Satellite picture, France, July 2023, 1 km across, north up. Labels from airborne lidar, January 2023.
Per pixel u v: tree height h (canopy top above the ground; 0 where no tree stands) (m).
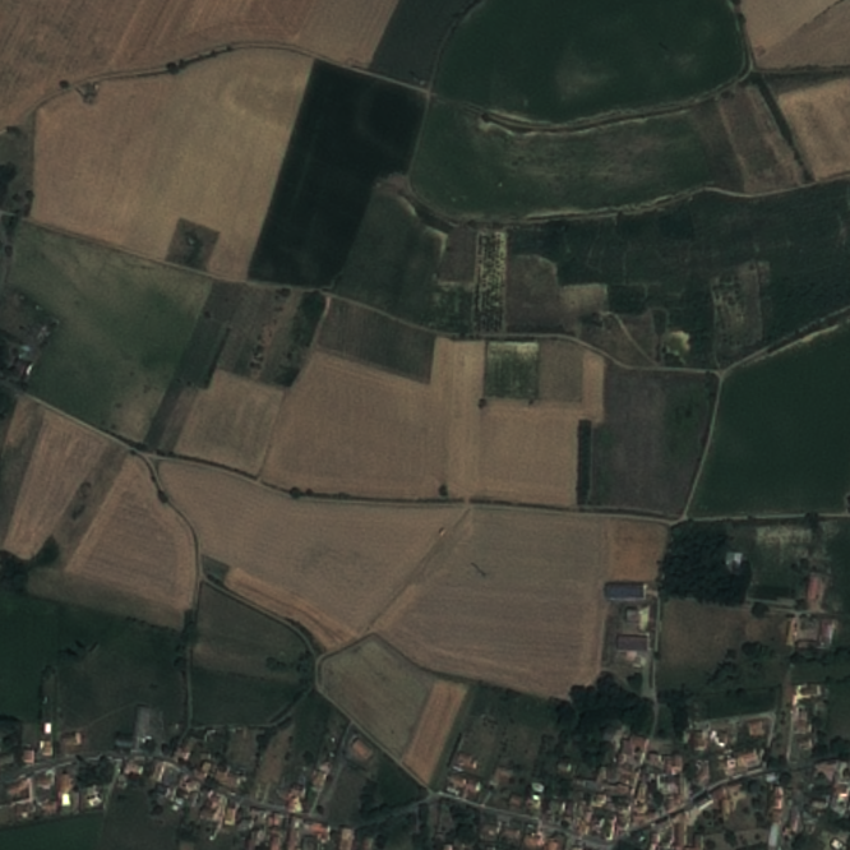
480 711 0
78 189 0
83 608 0
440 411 0
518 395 0
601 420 0
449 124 0
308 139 0
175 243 0
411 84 0
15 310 0
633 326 0
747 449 0
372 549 0
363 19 0
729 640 0
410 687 0
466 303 0
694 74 0
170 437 0
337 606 0
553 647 0
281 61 0
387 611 0
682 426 0
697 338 8
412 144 0
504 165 0
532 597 0
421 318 0
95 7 0
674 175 0
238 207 0
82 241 0
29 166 0
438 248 0
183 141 0
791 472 0
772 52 0
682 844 0
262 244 0
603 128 0
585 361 0
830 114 0
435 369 0
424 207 0
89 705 0
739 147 0
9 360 9
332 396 0
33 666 0
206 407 0
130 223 0
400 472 0
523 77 0
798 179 0
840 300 6
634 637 0
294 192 0
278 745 0
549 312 0
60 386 0
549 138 0
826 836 0
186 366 0
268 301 0
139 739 0
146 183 0
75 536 0
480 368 0
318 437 0
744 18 11
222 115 0
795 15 0
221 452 0
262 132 0
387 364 0
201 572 0
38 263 0
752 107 0
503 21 0
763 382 0
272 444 0
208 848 0
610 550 0
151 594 0
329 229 0
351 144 0
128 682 0
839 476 0
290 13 0
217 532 0
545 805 6
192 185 0
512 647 0
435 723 0
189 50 0
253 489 0
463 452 0
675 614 0
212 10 0
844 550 0
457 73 0
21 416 0
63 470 0
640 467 0
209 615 0
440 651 0
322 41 0
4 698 0
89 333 0
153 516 0
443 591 0
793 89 0
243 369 0
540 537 0
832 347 0
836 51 0
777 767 8
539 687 0
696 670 0
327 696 0
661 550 0
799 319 5
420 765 0
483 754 0
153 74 0
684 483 0
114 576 0
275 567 0
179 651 10
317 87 0
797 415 0
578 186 0
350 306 0
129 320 0
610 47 0
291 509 0
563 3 0
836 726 0
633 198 0
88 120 0
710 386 7
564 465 0
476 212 0
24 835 0
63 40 0
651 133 0
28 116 0
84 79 0
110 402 0
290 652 0
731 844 8
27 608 0
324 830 0
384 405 0
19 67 0
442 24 0
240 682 0
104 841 0
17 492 0
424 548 0
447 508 0
